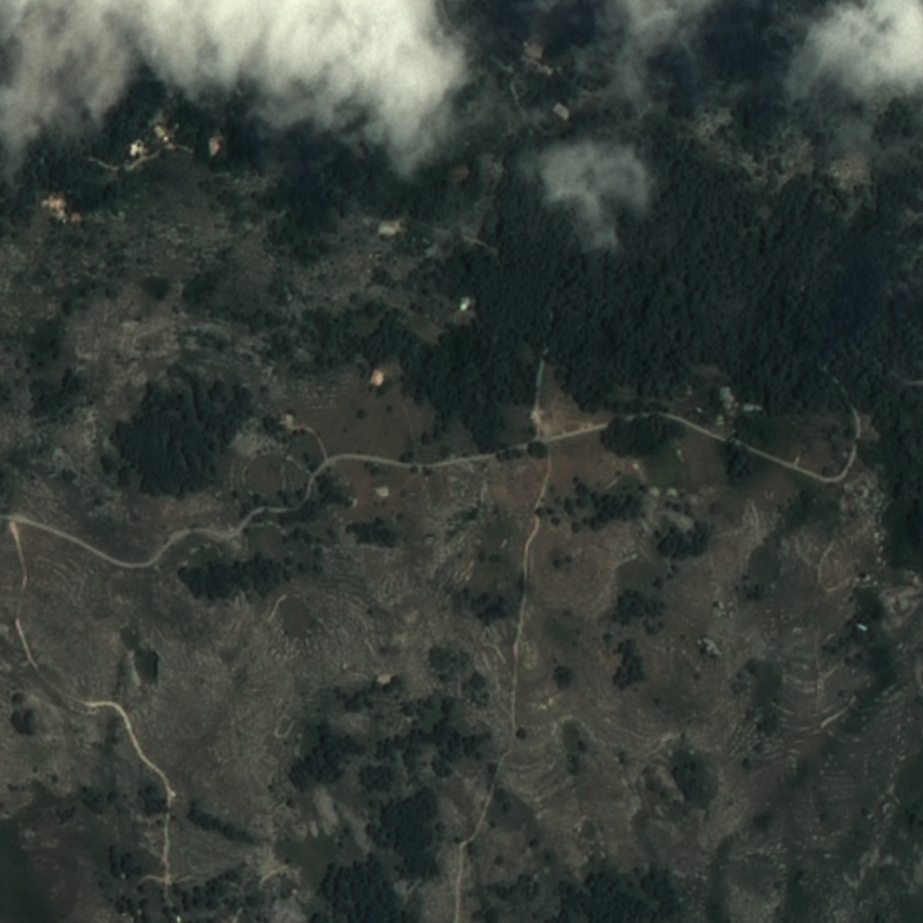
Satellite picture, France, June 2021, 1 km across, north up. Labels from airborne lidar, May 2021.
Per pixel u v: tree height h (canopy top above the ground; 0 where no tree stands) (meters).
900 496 17
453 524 0
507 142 8
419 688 0
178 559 0
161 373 0
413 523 0
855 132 7
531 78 11
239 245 0
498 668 0
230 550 0
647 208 14
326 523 0
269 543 0
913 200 11
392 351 11
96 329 0
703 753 0
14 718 7
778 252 22
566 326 22
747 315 20
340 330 6
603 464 0
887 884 0
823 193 12
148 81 7
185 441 15
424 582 0
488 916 6
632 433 10
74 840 0
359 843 0
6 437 0
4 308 0
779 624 0
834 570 0
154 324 0
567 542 0
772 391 18
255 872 0
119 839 0
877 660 0
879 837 0
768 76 9
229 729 0
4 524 0
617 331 21
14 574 0
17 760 0
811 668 0
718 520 0
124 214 0
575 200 19
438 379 15
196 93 12
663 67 9
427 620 0
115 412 0
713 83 0
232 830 10
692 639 0
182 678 0
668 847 0
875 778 0
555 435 0
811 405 17
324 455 0
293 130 12
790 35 7
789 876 0
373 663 0
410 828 12
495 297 18
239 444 0
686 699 0
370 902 11
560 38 17
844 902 0
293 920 0
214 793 0
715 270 18
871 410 13
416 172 9
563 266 10
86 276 0
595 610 0
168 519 0
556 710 0
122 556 0
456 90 7
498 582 0
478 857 0
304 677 0
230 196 9
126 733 0
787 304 18
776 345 16
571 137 17
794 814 0
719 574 0
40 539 0
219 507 0
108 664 0
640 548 0
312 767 14
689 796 10
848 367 12
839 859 0
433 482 0
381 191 8
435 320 0
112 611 0
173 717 0
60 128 13
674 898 7
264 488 0
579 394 13
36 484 0
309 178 7
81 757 0
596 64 13
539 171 16
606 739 0
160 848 0
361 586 0
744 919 0
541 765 0
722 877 0
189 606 0
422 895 0
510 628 0
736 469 17
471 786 0
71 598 0
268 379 0
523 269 20
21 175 12
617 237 19
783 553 0
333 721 0
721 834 0
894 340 18
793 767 0
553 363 14
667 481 0
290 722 0
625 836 0
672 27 0
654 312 22
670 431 12
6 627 0
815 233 18
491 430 13
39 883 0
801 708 0
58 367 0
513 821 0
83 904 0
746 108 13
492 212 8
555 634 0
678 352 12
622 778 0
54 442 0
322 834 0
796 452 0
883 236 12
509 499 0
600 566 0
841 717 0
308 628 0
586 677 0
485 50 7
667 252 16
